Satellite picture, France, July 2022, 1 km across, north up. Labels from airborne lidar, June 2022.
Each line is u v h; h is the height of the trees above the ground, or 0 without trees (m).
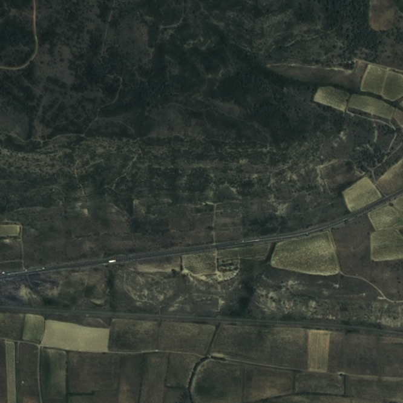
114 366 0
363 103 0
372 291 0
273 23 0
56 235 0
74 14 5
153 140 0
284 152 0
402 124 0
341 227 0
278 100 8
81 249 0
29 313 0
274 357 0
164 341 0
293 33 0
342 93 0
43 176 0
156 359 0
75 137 0
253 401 0
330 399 0
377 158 12
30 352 0
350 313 0
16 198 0
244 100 0
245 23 0
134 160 0
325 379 0
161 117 0
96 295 0
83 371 0
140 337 0
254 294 0
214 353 0
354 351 0
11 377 0
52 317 0
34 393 0
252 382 0
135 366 0
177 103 0
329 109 12
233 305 0
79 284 0
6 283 0
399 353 0
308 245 0
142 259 0
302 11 9
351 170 0
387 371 0
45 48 0
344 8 13
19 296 0
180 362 0
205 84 0
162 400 0
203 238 0
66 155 0
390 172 0
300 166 0
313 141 0
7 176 0
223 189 0
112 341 0
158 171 0
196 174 0
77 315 0
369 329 0
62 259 0
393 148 9
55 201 0
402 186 0
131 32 0
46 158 0
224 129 0
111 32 0
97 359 0
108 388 0
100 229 0
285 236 0
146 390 0
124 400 0
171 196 0
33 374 0
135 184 0
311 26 0
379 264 0
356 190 0
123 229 0
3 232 0
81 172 0
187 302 0
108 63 8
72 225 0
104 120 0
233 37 0
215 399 0
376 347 0
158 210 0
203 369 0
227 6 0
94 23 0
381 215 0
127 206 0
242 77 12
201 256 0
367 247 0
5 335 0
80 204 0
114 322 0
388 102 7
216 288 0
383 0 0
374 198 0
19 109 7
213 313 0
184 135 0
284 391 0
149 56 0
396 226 0
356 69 0
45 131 0
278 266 0
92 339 0
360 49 7
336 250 0
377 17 0
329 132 0
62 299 0
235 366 0
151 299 0
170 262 0
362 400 0
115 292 0
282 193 0
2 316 0
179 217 0
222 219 0
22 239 0
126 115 0
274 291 0
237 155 0
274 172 0
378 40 13
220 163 0
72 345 0
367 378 0
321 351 0
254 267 0
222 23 0
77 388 0
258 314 0
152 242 0
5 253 0
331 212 0
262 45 0
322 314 0
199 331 0
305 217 0
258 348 0
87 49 5
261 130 0
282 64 0
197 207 0
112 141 0
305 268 0
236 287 0
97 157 0
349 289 0
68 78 0
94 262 0
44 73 0
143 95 7
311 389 0
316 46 0
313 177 0
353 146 0
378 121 0
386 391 0
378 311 0
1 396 0
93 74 5
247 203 0
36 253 0
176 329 0
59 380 0
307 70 0
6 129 0
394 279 0
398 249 0
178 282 0
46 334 0
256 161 0
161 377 0
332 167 0
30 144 0
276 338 0
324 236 0
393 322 0
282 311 0
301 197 0
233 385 0
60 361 0
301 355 0
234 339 0
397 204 0
